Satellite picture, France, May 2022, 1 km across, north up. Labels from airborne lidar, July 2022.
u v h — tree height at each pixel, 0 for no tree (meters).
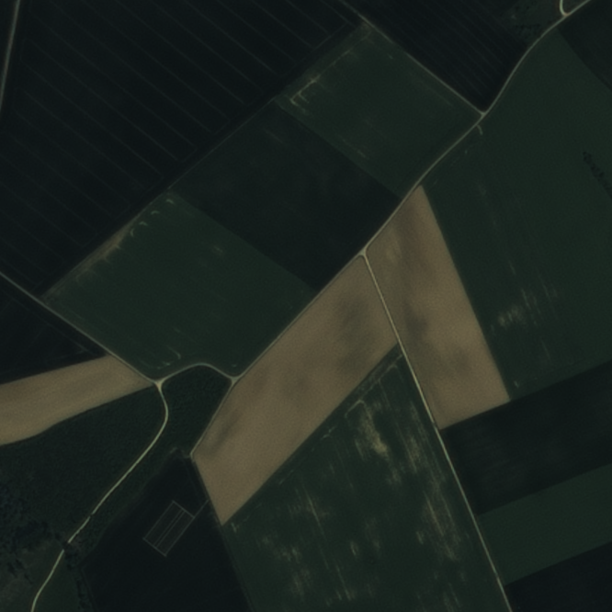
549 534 0
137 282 0
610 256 0
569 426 0
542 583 0
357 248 0
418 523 0
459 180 0
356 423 0
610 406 0
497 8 0
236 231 0
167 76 0
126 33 0
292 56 0
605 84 0
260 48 0
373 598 0
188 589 0
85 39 0
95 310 0
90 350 0
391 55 0
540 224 0
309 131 0
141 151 0
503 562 0
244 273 0
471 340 0
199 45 0
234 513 0
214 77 0
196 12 0
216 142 0
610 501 0
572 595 0
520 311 0
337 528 0
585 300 0
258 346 0
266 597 0
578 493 0
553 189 0
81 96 0
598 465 0
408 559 0
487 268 0
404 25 0
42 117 0
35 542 23
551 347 0
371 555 0
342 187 0
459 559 0
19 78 0
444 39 0
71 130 0
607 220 0
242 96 0
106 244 0
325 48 0
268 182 0
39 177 0
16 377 0
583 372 0
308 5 0
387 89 0
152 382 0
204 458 0
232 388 0
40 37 0
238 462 0
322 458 0
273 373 0
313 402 0
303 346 0
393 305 0
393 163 0
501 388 0
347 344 0
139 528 0
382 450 0
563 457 0
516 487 0
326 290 0
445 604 0
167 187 0
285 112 0
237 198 0
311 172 0
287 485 0
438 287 0
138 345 0
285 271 0
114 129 0
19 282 0
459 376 0
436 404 0
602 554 0
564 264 0
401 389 0
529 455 0
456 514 0
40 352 0
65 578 0
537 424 0
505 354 0
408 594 0
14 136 0
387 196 0
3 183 0
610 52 0
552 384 0
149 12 0
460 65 0
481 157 0
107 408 6
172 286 0
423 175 0
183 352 0
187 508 0
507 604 0
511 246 0
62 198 0
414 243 0
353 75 0
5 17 0
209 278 0
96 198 0
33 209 0
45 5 0
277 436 0
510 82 0
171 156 0
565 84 0
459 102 0
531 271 0
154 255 0
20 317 0
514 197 0
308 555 0
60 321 0
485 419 0
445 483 0
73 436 6
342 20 0
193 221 0
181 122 0
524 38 6
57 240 0
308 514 0
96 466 6
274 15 0
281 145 0
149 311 0
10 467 5
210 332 0
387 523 0
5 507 27
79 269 0
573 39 0
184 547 0
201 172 0
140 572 0
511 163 0
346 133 0
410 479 0
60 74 0
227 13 0
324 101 0
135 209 0
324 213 0
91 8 0
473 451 0
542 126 0
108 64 0
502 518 0
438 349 0
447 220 0
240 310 0
